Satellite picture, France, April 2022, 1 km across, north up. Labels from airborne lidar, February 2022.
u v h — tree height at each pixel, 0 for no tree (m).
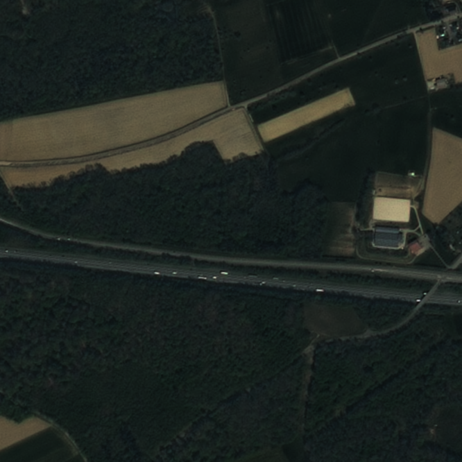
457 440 0
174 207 24
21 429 0
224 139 0
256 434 31
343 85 0
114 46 17
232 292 20
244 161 24
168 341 27
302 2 0
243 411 26
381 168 0
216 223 28
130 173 18
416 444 28
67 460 0
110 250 16
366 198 21
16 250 0
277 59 0
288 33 0
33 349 29
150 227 22
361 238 16
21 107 22
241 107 0
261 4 0
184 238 20
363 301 18
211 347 23
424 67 0
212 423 25
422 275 0
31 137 0
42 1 25
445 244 13
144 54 21
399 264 0
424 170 0
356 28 0
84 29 20
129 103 0
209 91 0
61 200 34
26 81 25
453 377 27
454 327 0
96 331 26
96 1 19
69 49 21
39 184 0
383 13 0
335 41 0
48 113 0
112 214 22
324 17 0
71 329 29
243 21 0
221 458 29
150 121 0
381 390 21
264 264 0
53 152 0
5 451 0
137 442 20
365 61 0
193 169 26
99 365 23
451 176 0
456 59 0
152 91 0
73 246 10
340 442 33
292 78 0
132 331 24
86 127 0
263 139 0
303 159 0
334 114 0
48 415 18
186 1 14
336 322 0
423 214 0
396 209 0
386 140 0
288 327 22
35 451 0
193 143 0
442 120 0
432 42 0
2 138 0
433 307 11
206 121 0
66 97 19
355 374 23
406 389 22
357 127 0
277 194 19
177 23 24
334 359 24
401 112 0
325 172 0
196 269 0
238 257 0
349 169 0
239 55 0
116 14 33
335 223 0
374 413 24
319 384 21
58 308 25
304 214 26
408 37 14
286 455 0
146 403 17
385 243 0
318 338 0
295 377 28
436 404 30
